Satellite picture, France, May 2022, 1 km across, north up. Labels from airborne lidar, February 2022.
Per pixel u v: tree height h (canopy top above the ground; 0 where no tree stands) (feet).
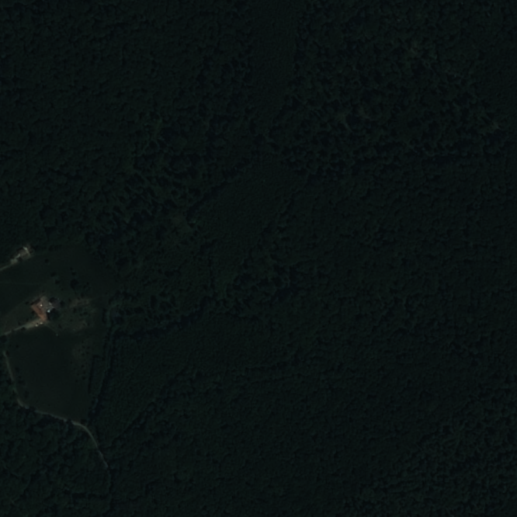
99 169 102
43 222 102
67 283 0
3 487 117
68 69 108
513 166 69
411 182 99
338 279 109
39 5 84
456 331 107
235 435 113
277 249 98
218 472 99
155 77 102
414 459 89
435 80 92
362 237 92
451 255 94
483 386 69
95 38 48
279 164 60
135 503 94
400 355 90
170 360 89
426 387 82
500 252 97
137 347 88
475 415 111
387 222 105
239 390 100
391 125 45
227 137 90
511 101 71
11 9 86
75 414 0
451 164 106
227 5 88
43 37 107
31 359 0
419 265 97
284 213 98
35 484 104
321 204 99
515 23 108
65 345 0
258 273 98
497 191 88
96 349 0
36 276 0
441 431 90
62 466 100
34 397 0
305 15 88
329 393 111
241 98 95
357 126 107
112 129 101
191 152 34
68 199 103
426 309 94
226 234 73
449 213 109
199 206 56
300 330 100
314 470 106
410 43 105
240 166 84
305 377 100
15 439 110
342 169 99
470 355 38
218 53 99
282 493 77
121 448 90
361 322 100
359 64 23
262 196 82
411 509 94
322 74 98
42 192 110
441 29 115
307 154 97
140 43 111
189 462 105
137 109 102
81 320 19
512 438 99
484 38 115
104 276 0
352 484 108
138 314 49
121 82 112
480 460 98
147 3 113
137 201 110
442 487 95
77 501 89
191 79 98
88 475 88
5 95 121
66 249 0
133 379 89
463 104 99
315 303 123
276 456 105
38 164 108
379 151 101
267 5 63
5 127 121
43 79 114
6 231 99
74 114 111
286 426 108
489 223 96
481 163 101
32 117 105
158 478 95
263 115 66
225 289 50
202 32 96
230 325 89
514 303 71
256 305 96
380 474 95
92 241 101
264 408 101
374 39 102
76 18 112
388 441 98
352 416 107
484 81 76
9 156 114
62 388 0
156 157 99
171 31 115
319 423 108
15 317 0
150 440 87
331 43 105
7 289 0
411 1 100
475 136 100
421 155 100
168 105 100
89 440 77
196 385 101
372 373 107
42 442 92
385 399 104
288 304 102
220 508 92
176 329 74
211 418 110
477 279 104
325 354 102
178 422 101
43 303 0
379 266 112
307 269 81
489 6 115
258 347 89
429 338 90
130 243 112
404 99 103
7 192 90
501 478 80
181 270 25
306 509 98
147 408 69
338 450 117
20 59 106
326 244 113
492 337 62
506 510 90
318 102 105
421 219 101
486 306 113
